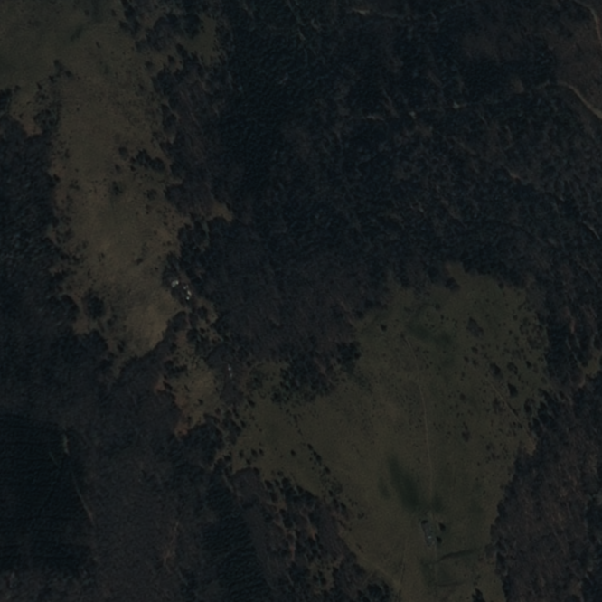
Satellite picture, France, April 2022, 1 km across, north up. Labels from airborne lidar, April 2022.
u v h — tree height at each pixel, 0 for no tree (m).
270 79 24
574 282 23
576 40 14
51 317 20
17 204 20
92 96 0
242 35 25
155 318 0
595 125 16
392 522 0
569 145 12
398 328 0
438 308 9
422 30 15
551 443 23
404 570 0
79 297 0
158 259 0
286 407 0
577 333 9
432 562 0
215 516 12
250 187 22
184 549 15
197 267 11
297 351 10
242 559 17
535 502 27
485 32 14
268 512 15
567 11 11
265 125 16
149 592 18
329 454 0
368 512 0
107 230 0
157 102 0
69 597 23
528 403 7
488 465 0
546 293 15
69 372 16
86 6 0
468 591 0
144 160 8
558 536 26
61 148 0
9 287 19
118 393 12
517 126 19
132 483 19
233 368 7
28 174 15
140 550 21
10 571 23
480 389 0
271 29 17
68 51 0
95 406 15
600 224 24
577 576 13
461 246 26
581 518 27
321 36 27
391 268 19
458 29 25
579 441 25
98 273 0
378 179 19
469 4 15
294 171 15
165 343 8
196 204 14
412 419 0
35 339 20
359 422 0
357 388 0
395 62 14
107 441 21
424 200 22
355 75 39
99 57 0
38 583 23
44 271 18
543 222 26
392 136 10
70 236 7
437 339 0
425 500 0
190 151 19
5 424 14
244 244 20
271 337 15
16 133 13
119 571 21
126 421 13
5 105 8
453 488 0
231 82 19
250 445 0
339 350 12
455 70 18
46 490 19
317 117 23
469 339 0
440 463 0
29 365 17
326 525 16
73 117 0
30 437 14
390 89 14
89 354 13
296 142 18
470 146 14
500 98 20
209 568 13
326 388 9
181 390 0
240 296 15
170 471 15
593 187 34
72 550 14
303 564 13
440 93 16
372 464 0
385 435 0
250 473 10
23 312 19
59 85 0
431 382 0
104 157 0
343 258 24
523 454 12
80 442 13
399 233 25
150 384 12
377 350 0
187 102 20
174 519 15
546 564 26
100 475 23
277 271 19
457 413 0
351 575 11
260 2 29
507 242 25
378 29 17
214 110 21
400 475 0
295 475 0
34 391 18
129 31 12
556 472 30
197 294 8
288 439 0
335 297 22
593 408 25
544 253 24
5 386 20
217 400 0
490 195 23
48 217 14
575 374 20
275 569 14
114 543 21
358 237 17
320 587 0
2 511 14
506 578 14
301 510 9
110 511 22
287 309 19
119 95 0
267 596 16
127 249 0
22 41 0
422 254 22
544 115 10
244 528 18
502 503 6
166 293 0
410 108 10
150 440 21
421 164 31
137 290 0
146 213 0
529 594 26
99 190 0
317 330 16
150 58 0
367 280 22
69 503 18
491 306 0
